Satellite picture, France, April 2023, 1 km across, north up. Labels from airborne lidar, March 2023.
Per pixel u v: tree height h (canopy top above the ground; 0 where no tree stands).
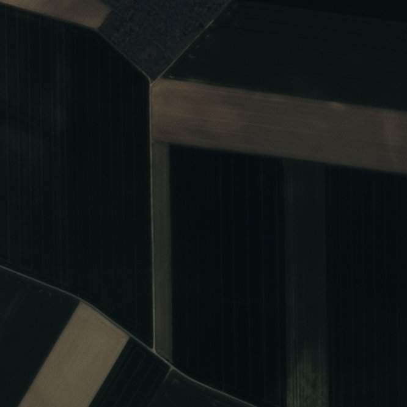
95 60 0
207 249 0
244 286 0
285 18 0
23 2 0
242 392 0
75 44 0
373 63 0
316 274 0
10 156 0
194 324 0
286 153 0
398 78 0
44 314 0
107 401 0
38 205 0
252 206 0
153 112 0
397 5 0
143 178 0
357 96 0
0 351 0
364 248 0
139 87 0
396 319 0
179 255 0
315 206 0
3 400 0
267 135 0
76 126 0
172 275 0
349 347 0
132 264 0
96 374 0
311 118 0
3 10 0
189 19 17
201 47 0
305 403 0
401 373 0
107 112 0
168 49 18
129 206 0
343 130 0
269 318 0
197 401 0
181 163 0
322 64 0
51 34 0
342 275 0
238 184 0
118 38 15
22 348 0
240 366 0
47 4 0
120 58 0
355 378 0
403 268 0
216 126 0
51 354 0
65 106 0
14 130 0
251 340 0
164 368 0
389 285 0
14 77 0
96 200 0
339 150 0
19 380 0
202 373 0
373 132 0
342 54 0
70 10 0
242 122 0
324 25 0
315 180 0
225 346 0
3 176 0
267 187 0
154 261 0
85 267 0
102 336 0
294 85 0
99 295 0
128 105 0
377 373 0
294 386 0
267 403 0
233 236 0
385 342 0
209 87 0
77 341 0
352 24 0
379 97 0
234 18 0
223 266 0
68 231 0
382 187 0
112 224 0
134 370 0
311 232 0
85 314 0
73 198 0
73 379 0
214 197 0
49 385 0
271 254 0
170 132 0
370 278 0
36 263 0
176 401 0
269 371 0
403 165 0
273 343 0
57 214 0
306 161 0
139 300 0
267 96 0
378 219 0
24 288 0
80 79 0
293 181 0
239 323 0
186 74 0
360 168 0
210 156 0
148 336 0
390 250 0
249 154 0
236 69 0
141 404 0
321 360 0
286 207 0
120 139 0
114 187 0
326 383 0
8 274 0
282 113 0
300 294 0
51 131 0
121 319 0
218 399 0
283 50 0
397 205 0
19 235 0
